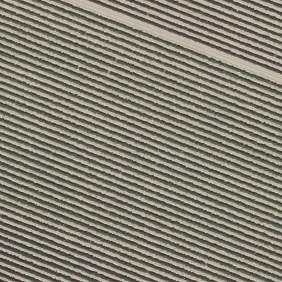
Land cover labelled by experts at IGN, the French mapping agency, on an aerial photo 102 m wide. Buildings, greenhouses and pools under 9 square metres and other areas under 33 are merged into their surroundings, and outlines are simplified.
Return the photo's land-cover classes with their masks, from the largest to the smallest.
<instances>
[{"label":"vineyard","instance_id":"1","mask_svg":"<svg viewBox=\"0 0 282 282\"><path fill-rule=\"evenodd\" d=\"M0 282H282V85L63 0H0ZM282 75V0H87Z\"/></svg>","mask_w":282,"mask_h":282},{"label":"plowed land","instance_id":"2","mask_svg":"<svg viewBox=\"0 0 282 282\"><path fill-rule=\"evenodd\" d=\"M282 85V75L87 0H63Z\"/></svg>","mask_w":282,"mask_h":282}]
</instances>
